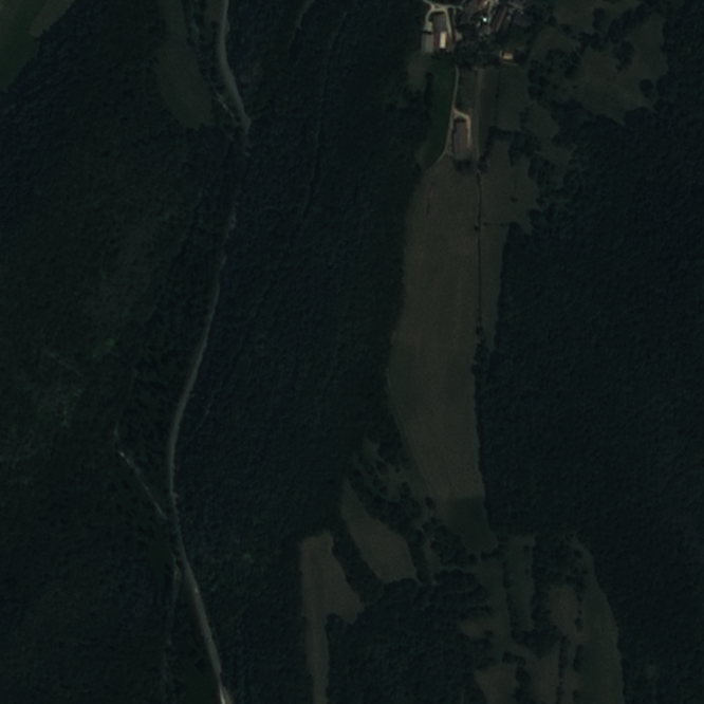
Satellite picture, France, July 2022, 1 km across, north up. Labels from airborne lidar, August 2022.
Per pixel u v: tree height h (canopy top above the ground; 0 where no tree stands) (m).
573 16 0
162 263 15
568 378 14
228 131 14
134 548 26
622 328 18
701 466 7
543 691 0
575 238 17
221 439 21
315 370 8
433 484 0
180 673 13
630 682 16
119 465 9
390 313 21
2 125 21
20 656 11
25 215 18
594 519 16
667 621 22
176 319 27
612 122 20
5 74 0
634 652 15
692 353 15
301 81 18
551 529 17
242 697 9
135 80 25
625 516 19
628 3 0
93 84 25
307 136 19
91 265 14
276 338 14
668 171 21
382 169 12
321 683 0
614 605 16
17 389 11
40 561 27
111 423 20
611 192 17
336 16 21
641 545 20
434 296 0
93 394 24
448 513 0
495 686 0
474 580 15
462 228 0
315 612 0
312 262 19
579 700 8
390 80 12
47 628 16
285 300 19
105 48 22
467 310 0
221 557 11
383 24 15
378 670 9
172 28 0
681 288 20
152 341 18
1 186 30
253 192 14
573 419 17
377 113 18
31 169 19
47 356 8
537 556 10
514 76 0
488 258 0
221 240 24
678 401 14
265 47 7
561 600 0
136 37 26
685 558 17
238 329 17
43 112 29
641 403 7
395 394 0
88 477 24
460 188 0
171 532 12
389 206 16
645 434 11
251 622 18
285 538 8
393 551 0
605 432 9
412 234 0
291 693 18
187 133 9
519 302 17
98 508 29
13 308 16
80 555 20
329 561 0
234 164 32
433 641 13
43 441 13
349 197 9
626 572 22
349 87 17
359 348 9
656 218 14
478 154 0
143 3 22
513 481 16
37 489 22
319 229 16
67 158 14
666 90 24
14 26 0
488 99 0
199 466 20
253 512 13
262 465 13
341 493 13
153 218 10
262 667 16
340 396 14
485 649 13
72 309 17
